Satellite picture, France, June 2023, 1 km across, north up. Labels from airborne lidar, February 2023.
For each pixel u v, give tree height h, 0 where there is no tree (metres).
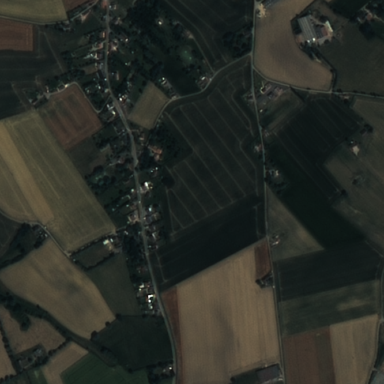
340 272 0
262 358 0
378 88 0
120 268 0
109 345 0
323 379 0
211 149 0
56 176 0
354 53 0
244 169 0
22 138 0
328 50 0
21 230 9
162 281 0
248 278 0
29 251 0
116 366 0
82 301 0
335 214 0
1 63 0
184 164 0
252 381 0
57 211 0
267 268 0
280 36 0
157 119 0
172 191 0
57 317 0
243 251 0
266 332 0
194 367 0
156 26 7
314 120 0
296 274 0
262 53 0
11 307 7
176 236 0
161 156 8
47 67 0
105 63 0
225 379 0
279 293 0
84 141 0
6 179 0
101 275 0
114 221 0
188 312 0
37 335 0
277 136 0
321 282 0
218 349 0
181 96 0
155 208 14
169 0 0
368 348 0
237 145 0
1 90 0
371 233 0
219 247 0
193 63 0
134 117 0
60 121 0
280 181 0
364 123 0
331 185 0
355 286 0
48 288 0
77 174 0
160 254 0
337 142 0
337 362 0
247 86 0
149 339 0
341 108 0
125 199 0
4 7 0
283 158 0
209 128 0
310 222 0
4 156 0
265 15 0
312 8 0
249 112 0
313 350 0
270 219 0
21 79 0
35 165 0
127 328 0
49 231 0
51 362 0
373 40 0
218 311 0
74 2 0
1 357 0
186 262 0
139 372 0
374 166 0
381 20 0
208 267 0
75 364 0
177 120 0
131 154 0
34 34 0
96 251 0
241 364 0
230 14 0
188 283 0
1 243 0
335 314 0
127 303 0
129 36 10
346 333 0
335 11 9
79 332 0
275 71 0
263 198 0
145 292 0
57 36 0
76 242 0
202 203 0
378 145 0
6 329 0
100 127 0
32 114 0
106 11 0
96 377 0
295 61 0
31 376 0
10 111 0
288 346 0
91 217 0
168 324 0
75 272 0
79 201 0
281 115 0
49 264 0
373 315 0
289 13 0
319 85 0
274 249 0
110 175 0
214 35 0
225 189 0
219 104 0
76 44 0
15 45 0
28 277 0
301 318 0
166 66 0
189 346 0
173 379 0
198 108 0
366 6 0
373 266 0
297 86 0
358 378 0
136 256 16
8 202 0
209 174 0
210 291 0
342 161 0
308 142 0
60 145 0
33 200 0
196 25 0
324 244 0
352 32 0
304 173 0
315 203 0
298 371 0
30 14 0
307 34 0
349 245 0
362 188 0
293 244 0
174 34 9
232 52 6
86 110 0
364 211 0
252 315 0
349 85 0
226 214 0
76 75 8
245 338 0
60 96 0
